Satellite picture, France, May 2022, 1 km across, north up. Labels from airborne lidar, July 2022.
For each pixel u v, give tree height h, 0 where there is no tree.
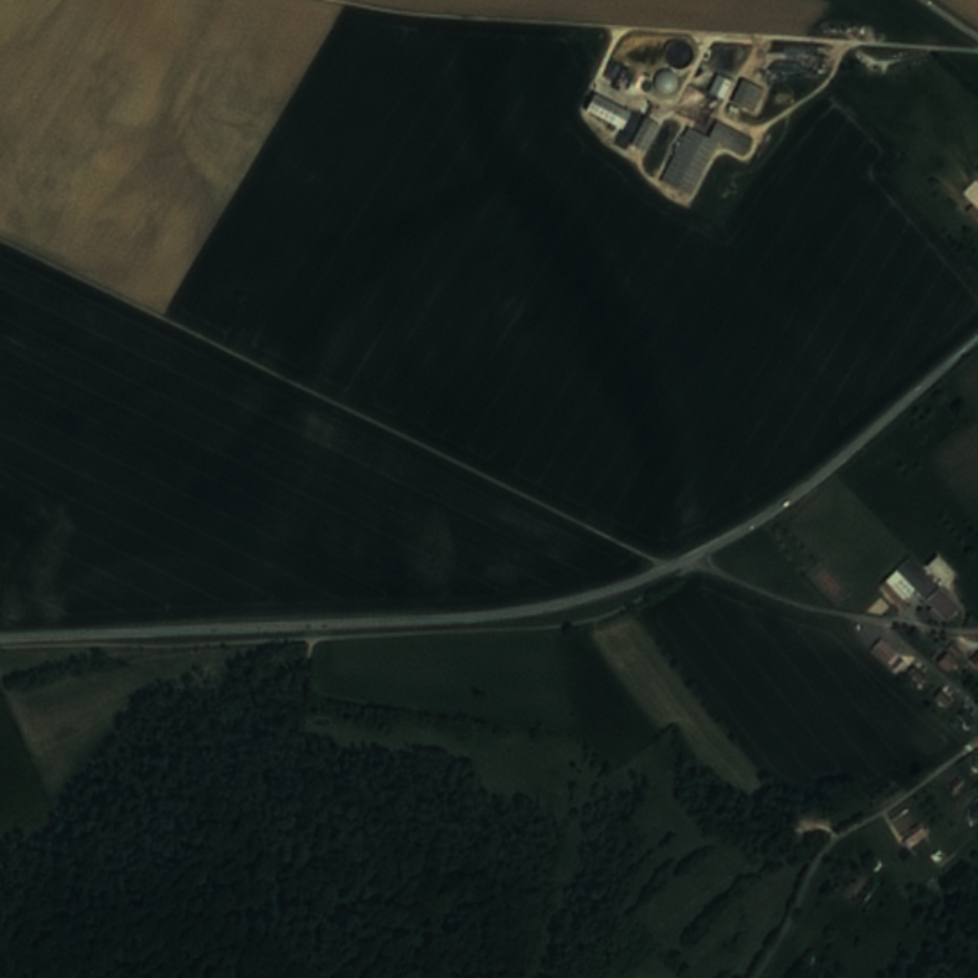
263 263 0
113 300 0
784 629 0
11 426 0
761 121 0
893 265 0
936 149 0
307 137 0
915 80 0
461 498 0
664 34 0
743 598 0
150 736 17
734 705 0
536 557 0
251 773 18
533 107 0
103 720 0
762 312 0
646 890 7
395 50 0
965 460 0
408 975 35
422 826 28
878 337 0
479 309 0
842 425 0
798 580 0
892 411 0
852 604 0
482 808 11
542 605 0
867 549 0
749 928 0
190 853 31
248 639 0
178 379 0
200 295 0
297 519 0
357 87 0
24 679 19
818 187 0
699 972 0
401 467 0
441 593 0
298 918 22
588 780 0
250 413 0
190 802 31
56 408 0
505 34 0
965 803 0
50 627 0
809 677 0
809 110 0
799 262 0
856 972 0
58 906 31
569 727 0
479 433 0
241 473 0
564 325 0
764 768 0
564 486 0
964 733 0
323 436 0
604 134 0
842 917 0
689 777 13
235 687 22
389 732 10
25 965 31
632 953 13
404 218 0
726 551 0
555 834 15
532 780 0
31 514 0
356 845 28
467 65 0
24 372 0
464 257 0
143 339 0
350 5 0
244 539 0
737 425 0
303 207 0
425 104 0
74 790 14
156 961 30
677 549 0
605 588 0
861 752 0
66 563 0
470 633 0
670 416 0
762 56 0
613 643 0
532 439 0
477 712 0
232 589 0
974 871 12
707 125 0
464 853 27
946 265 0
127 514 0
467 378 0
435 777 28
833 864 14
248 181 0
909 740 0
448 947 25
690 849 0
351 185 0
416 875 21
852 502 0
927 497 0
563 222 0
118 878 22
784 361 0
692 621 0
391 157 0
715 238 0
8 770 0
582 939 15
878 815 0
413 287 0
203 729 28
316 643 0
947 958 16
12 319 0
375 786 27
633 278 0
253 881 29
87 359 0
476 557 0
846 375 0
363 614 0
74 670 16
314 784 35
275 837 34
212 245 0
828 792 18
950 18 0
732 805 23
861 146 0
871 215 0
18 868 28
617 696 0
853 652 0
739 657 0
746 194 0
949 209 0
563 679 0
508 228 0
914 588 0
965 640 0
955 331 0
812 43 0
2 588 0
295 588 0
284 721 22
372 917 28
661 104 0
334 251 0
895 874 0
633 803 16
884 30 0
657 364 0
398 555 0
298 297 0
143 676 0
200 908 31
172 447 0
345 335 0
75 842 29
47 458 0
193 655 0
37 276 0
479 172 0
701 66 0
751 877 7
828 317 0
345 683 0
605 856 21
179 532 0
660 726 0
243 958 33
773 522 0
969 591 0
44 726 0
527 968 18
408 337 0
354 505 0
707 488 0
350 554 0
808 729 0
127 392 0
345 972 30
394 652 0
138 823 29
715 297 0
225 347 0
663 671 0
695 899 0
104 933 31
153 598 0
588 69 0
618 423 0
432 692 0
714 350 0
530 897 37
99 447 0
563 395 0
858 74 12
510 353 0
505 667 0
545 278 0
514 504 0
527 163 0
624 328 0
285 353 0
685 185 0
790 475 0
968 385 0
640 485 0
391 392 0
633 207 0
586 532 0
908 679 11
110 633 0
